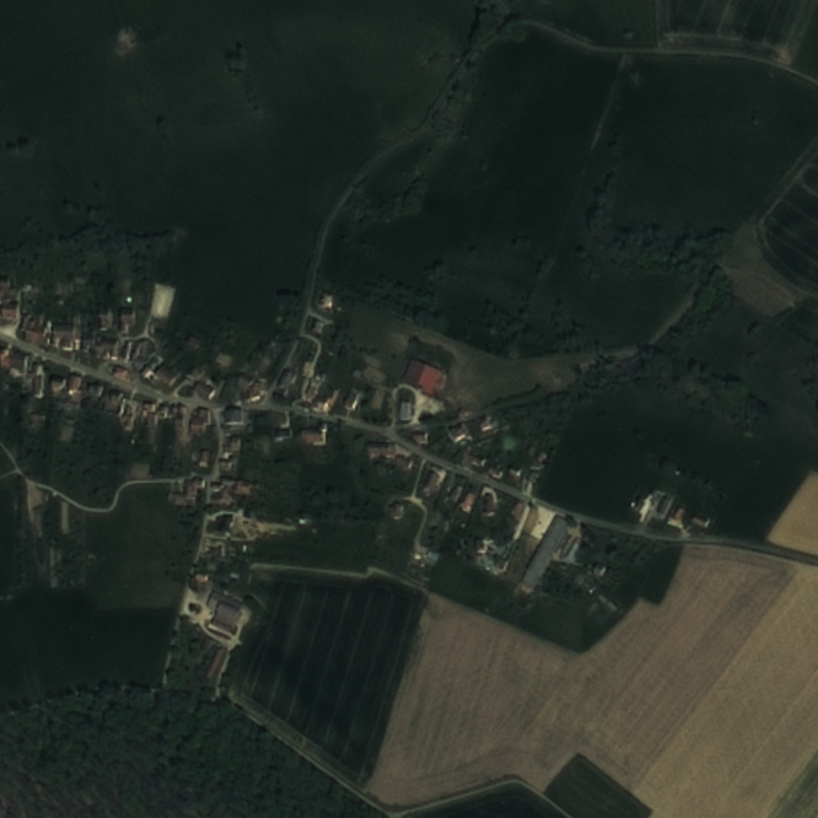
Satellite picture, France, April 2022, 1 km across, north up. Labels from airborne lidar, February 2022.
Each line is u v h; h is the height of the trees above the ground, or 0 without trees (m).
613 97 0
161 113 0
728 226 0
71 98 0
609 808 0
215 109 0
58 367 0
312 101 0
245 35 0
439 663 0
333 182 0
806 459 0
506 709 0
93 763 31
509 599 0
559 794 0
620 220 0
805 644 0
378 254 0
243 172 0
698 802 0
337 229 0
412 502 0
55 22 0
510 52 0
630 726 0
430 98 0
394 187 0
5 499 0
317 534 0
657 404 0
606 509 0
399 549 0
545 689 0
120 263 8
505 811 0
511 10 0
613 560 17
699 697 0
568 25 0
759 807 0
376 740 0
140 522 0
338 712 0
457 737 0
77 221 0
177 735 30
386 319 0
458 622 0
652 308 0
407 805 0
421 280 0
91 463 0
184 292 0
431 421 8
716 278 13
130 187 0
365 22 0
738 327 0
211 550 6
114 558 0
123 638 0
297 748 0
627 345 0
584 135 0
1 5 0
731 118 0
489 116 0
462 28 0
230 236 0
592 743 0
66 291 0
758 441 0
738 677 0
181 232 0
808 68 0
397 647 0
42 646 0
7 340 0
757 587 0
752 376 0
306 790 25
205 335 0
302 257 0
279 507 0
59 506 0
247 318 0
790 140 0
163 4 0
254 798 22
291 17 0
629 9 0
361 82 0
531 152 0
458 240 0
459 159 0
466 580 0
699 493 0
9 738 31
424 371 0
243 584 0
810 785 0
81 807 30
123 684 0
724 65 0
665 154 0
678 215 0
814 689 0
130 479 0
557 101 0
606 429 0
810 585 0
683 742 0
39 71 0
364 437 8
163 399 0
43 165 0
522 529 0
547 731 0
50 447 0
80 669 0
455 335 0
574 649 0
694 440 0
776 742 0
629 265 12
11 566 0
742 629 0
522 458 0
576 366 0
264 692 0
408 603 0
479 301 0
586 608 0
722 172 0
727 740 0
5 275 0
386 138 0
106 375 0
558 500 0
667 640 0
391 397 0
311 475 0
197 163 0
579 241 0
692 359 0
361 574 0
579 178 0
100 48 0
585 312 0
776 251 0
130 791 31
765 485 0
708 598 0
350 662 0
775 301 0
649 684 0
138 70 0
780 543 0
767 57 0
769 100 0
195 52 0
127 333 0
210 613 0
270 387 0
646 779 0
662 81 0
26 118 0
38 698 0
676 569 0
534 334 19
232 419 0
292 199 0
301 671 0
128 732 30
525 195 0
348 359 9
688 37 0
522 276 0
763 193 0
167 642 0
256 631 0
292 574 0
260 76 0
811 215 0
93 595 0
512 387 0
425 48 0
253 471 0
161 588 0
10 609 0
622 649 0
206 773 22
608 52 0
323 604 0
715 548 0
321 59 0
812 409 0
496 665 0
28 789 29
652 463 0
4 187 0
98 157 0
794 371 0
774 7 0
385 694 0
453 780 0
